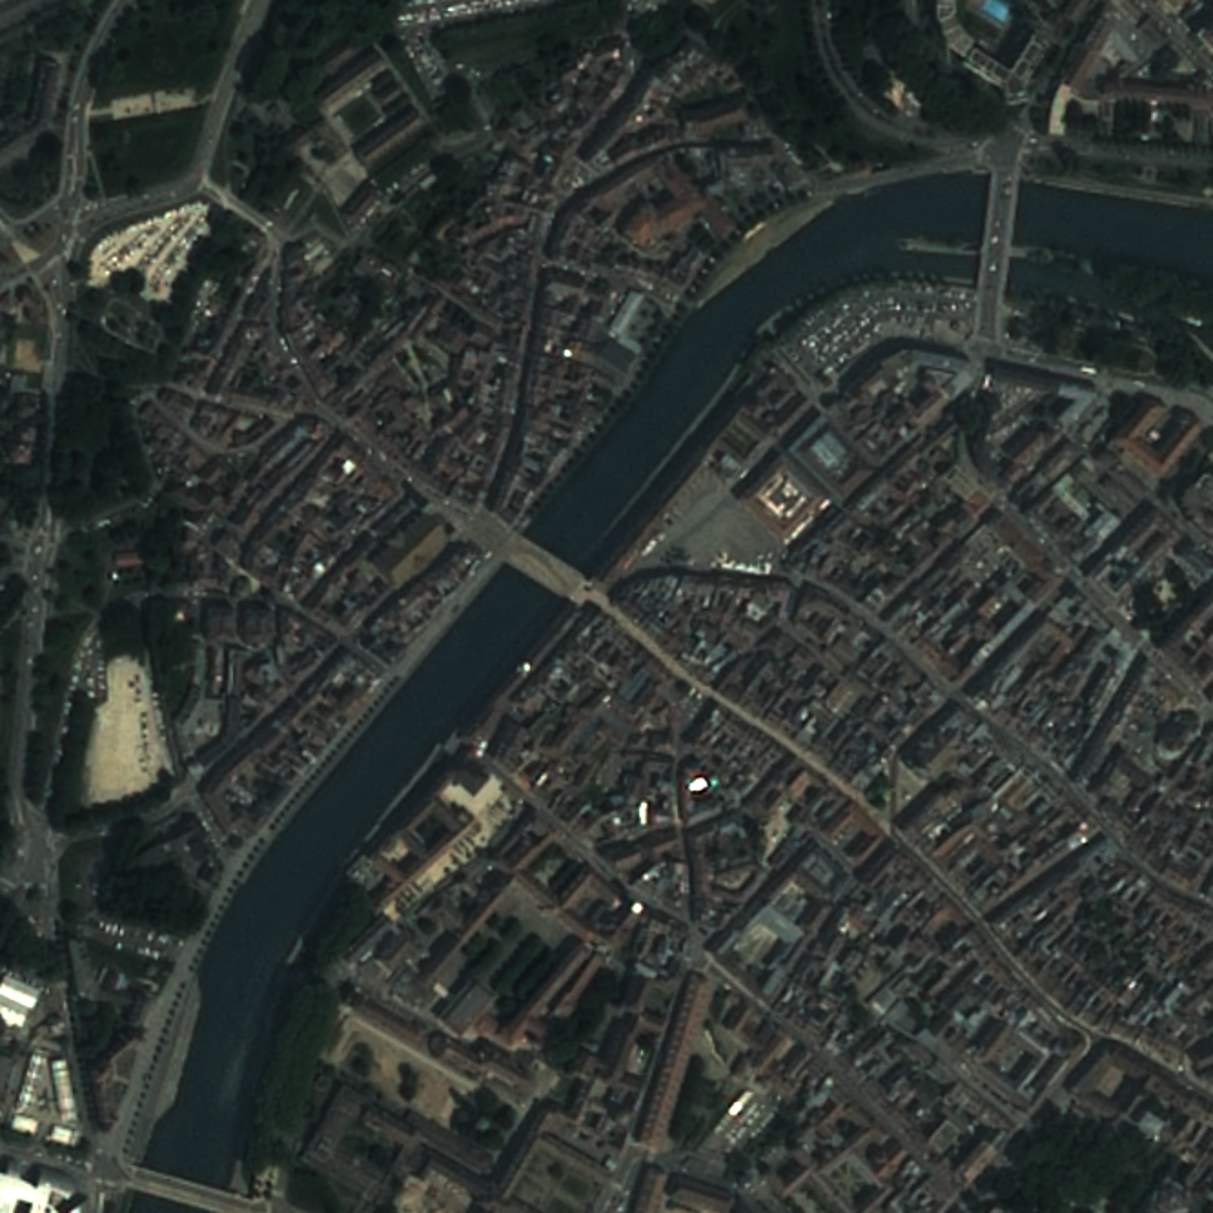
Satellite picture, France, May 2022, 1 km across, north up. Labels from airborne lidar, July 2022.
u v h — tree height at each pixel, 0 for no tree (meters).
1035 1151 25
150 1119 0
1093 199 0
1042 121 14
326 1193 14
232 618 0
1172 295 36
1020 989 0
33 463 7
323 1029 32
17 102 15
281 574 0
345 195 0
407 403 0
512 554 0
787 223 0
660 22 13
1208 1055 0
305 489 0
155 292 0
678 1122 9
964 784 0
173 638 8
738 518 0
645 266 0
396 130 0
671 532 0
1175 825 0
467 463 0
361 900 31
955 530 6
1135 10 0
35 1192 0
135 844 24
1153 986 9
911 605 0
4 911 22
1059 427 0
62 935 8
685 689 12
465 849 9
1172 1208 0
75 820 14
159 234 0
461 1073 0
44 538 0
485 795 0
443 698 0
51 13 12
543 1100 0
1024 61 0
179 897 25
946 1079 0
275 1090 30
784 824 0
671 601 0
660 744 0
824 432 0
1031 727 0
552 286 0
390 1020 0
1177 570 18
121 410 20
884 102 12
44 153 16
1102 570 0
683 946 0
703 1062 9
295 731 0
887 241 0
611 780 0
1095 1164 28
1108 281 32
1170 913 0
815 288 0
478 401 0
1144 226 0
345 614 0
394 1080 0
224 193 0
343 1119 0
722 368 0
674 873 0
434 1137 0
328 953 31
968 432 27
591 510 0
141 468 20
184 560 12
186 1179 0
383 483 0
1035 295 19
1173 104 9
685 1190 0
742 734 0
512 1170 0
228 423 0
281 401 0
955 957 0
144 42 0
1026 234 0
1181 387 20
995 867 0
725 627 0
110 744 0
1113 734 0
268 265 0
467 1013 0
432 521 0
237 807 0
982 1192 16
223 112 0
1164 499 9
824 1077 0
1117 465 0
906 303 0
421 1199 0
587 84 0
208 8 25
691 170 13
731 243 7
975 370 0
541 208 0
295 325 0
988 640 0
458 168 20
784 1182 0
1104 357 30
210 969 0
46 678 13
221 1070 0
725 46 16
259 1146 29
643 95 0
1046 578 0
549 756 0
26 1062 0
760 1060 0
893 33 27
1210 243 0
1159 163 0
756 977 8
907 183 0
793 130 16
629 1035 0
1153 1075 0
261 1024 0
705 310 0
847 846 0
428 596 0
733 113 0
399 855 0
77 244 0
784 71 0
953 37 0
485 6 0
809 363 0
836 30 9
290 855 0
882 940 10
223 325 0
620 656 0
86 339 12
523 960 14
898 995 0
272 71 29
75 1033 8
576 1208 0
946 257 0
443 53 7
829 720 0
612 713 0
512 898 0
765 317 0
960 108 35
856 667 0
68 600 8
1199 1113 0
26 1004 0
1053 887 0
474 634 0
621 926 0
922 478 0
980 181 0
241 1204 0
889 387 0
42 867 0
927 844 0
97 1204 0
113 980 0
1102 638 0
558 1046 37
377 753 0
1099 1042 0
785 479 0
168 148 0
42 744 15
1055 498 0
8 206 0
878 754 0
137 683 0
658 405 0
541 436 0
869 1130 0
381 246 7
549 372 0
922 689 0
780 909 0
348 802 0
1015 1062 0
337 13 21
